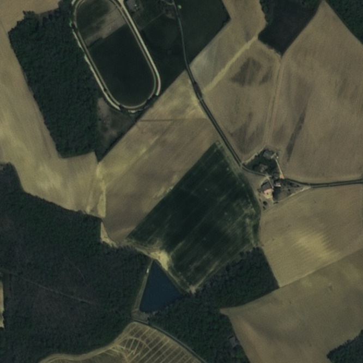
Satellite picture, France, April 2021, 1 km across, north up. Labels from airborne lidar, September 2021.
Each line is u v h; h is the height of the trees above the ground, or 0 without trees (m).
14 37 19
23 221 19
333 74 0
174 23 0
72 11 25
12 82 0
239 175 0
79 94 19
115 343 0
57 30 25
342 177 0
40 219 22
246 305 0
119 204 0
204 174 0
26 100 0
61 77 20
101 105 0
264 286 23
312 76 0
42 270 22
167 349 0
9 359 13
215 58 0
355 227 0
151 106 17
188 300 21
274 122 0
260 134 0
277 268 0
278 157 0
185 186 0
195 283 0
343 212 0
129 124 0
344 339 0
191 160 0
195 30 0
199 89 14
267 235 0
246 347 0
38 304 11
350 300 0
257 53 0
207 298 24
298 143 0
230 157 0
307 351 0
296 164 0
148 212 0
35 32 11
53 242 22
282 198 0
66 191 0
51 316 16
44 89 18
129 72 0
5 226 17
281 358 0
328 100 0
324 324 0
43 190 0
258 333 0
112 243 0
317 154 0
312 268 0
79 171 0
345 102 0
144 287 0
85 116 26
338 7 16
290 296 0
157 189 0
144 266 17
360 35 13
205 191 0
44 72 20
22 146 0
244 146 0
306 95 0
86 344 15
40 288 16
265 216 0
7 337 14
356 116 0
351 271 0
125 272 15
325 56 0
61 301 14
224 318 14
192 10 0
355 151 0
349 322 0
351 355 23
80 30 0
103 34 0
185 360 0
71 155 19
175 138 0
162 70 0
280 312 0
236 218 0
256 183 0
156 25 0
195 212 0
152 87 0
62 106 22
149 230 0
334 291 0
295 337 0
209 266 0
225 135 0
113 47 0
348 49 0
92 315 17
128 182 0
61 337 18
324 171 0
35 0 0
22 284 17
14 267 18
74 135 21
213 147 0
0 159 0
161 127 0
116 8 0
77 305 14
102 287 23
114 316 24
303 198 0
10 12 0
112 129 0
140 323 0
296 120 0
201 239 0
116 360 0
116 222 0
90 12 0
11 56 0
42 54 20
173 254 0
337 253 0
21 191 16
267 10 20
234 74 0
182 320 32
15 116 0
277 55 0
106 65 0
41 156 0
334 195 0
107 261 20
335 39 0
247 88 0
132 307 19
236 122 0
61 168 0
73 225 16
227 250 0
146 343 0
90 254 23
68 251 21
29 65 11
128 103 0
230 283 19
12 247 19
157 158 0
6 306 17
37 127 0
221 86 0
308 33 0
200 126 0
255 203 0
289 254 0
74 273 11
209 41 0
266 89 0
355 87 0
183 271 0
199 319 29
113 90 0
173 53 0
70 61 22
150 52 0
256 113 0
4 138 0
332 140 0
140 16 0
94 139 24
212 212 0
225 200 0
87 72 19
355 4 21
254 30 0
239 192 0
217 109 0
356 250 0
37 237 17
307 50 0
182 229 0
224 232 0
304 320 0
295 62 0
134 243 0
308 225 0
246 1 0
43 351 18
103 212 0
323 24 0
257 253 16
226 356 16
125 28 0
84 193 0
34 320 21
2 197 20
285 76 0
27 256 23
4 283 0
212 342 27
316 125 0
